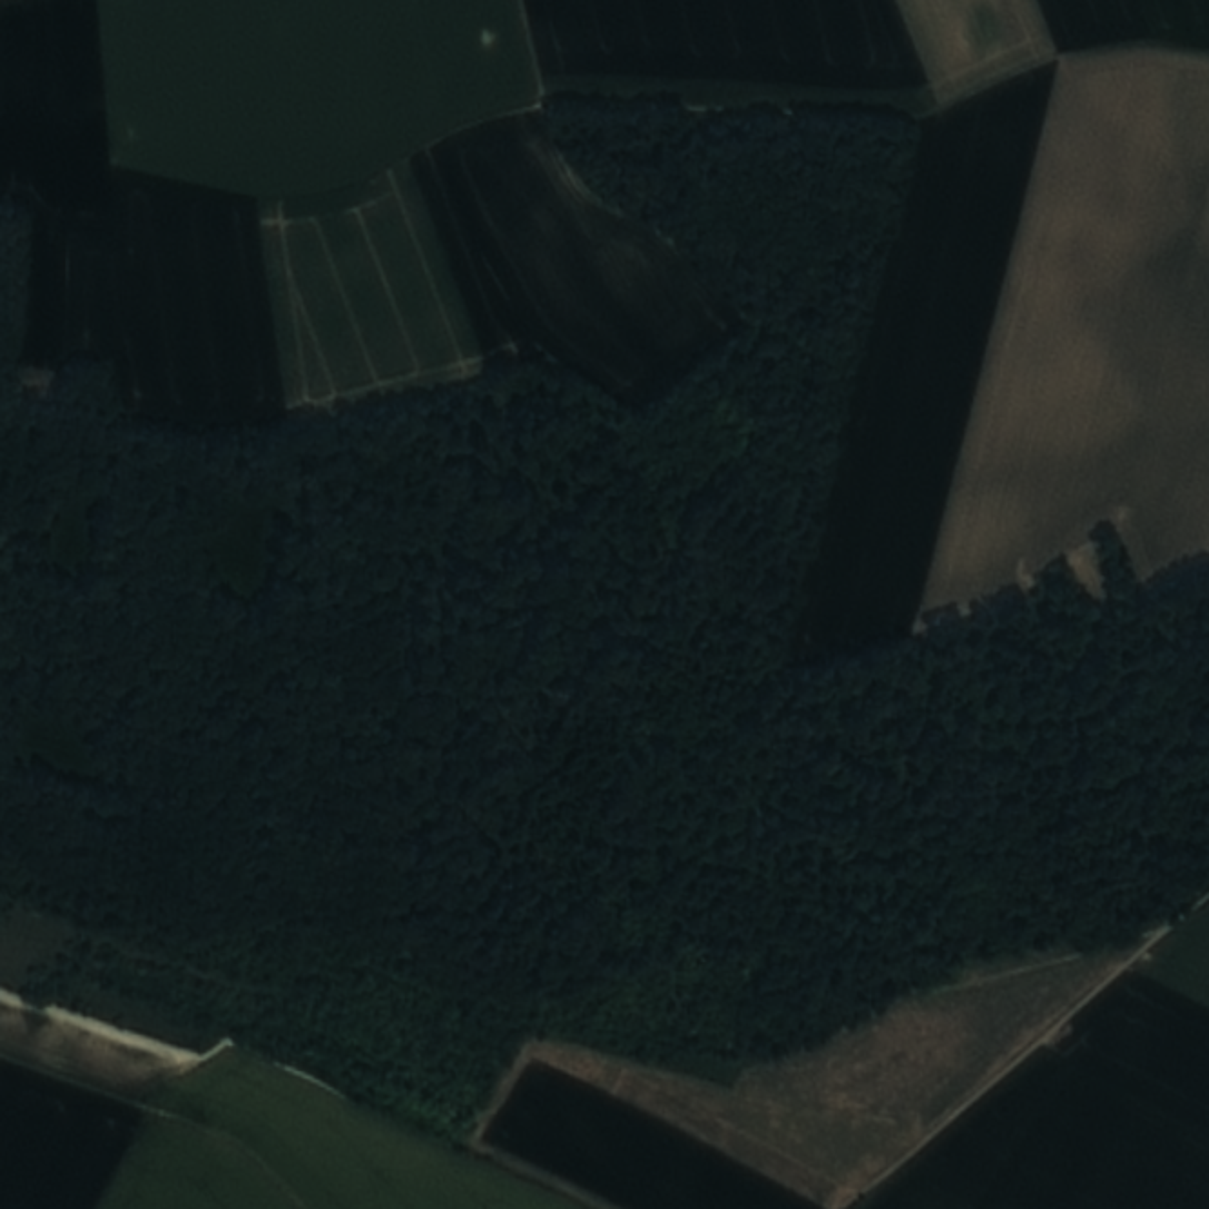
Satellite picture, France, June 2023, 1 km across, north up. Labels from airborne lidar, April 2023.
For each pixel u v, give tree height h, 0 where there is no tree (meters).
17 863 19
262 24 0
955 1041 0
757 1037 24
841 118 19
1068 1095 0
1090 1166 0
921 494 0
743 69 0
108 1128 0
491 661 22
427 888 24
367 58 0
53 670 27
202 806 23
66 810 23
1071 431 0
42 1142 0
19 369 20
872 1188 0
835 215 27
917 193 0
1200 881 20
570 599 31
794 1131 0
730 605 0
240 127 0
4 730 19
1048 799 12
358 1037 16
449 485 29
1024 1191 0
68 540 0
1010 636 8
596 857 20
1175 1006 0
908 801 16
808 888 22
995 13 0
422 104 0
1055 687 29
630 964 21
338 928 18
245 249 0
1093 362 0
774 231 23
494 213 0
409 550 19
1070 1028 0
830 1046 0
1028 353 0
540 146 0
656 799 14
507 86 0
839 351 18
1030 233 0
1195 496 0
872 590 0
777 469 22
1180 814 22
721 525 29
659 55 0
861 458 0
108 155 0
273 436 27
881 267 12
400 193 0
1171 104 0
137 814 26
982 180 0
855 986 7
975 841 22
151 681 25
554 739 11
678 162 23
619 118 25
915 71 0
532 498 32
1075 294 0
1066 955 0
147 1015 0
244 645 32
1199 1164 0
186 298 0
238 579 0
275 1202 0
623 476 22
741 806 10
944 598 0
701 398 18
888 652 20
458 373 0
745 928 17
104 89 0
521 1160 0
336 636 33
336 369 0
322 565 26
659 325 0
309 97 0
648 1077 0
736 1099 0
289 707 29
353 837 27
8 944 0
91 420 25
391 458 29
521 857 10
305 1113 0
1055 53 0
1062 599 23
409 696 31
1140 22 0
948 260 0
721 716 8
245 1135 0
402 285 0
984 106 0
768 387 27
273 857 27
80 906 17
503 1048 19
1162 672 28
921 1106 0
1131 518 0
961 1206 0
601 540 26
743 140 26
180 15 0
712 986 17
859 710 26
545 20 0
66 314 0
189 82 0
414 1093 17
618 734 13
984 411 0
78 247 0
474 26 0
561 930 24
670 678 12
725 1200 0
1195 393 0
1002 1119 0
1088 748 24
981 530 0
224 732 26
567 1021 7
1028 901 23
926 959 16
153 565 26
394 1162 0
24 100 0
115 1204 0
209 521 21
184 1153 0
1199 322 0
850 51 0
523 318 0
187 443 26
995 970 0
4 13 0
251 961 8
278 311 0
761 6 0
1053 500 0
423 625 30
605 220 0
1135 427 0
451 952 19
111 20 0
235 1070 0
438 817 29
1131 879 20
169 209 0
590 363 0
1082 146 0
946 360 0
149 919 19
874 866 22
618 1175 0
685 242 12
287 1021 9
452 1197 0
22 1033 0
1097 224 0
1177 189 0
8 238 18
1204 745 24
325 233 0
